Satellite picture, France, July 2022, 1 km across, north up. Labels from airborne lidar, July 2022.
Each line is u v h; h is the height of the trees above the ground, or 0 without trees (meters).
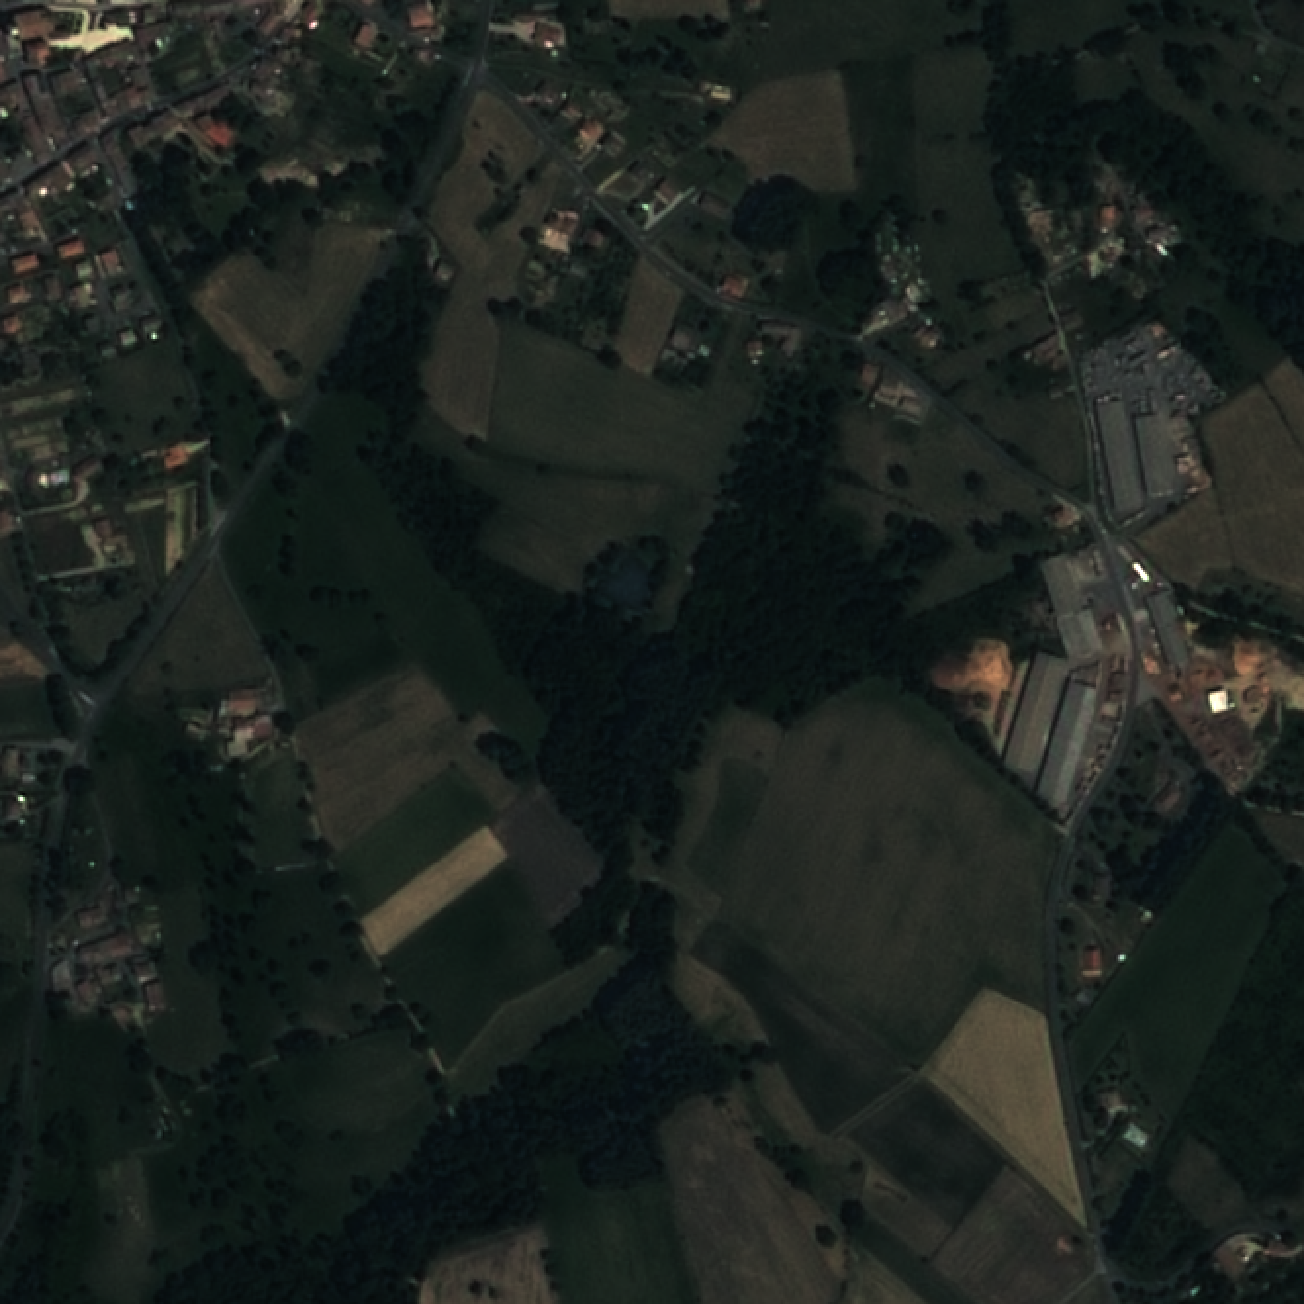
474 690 0
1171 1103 0
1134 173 8
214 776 32
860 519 0
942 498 0
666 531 0
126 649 8
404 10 10
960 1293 0
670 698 36
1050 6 0
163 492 0
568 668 25
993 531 22
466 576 6
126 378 0
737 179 0
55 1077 6
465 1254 0
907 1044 0
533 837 0
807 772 0
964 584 0
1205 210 25
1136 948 0
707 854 0
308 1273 8
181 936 0
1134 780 7
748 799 0
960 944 0
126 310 0
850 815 0
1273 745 0
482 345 0
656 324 0
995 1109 0
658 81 0
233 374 0
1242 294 19
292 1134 13
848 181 0
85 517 0
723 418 0
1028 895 0
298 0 0
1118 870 15
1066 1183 0
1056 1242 0
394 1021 15
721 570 11
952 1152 0
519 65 0
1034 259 16
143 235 23
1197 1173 0
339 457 0
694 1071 27
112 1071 0
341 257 0
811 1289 0
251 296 0
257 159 19
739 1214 0
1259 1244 6
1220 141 0
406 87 0
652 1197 0
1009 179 18
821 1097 0
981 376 0
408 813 0
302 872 0
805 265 0
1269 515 0
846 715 0
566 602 6
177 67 0
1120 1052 6
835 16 0
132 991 7
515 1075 16
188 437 6
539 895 0
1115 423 0
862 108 0
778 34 0
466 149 0
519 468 0
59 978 0
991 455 0
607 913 11
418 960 0
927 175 0
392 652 0
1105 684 0
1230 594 13
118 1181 0
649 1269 0
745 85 0
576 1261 0
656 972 25
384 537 0
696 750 18
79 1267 0
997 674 0
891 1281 0
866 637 7
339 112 0
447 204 0
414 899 0
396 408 22
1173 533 0
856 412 0
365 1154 0
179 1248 0
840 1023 0
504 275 0
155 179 13
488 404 0
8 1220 0
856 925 0
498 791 0
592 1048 0
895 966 0
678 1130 0
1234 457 0
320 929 0
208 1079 20
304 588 0
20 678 0
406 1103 0
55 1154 14
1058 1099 0
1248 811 15
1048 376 0
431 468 15
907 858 0
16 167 0
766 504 20
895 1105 0
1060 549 6
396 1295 18
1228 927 0
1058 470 0
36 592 8
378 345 21
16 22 0
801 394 11
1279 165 0
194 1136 0
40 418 0
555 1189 0
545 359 0
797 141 0
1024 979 0
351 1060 0
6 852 0
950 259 0
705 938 0
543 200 0
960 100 0
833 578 13
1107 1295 0
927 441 0
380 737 0
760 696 7
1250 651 0
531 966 0
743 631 8
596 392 0
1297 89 0
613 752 32
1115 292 8
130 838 0
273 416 16
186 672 0
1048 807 11
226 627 0
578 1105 9
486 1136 20
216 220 0
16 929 0
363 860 0
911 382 0
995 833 0
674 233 0
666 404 0
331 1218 0
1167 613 0
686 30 10
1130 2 0
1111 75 0
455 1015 0
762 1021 0
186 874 0
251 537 0
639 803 29
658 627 0
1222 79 0
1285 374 0
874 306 8
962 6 8
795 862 0
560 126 0
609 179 0
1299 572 0
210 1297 25
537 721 0
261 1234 30
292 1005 10
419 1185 25
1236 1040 7
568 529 0
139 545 0
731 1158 0
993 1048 0
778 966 0
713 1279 0
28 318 0
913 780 0
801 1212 0
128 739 0
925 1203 0
